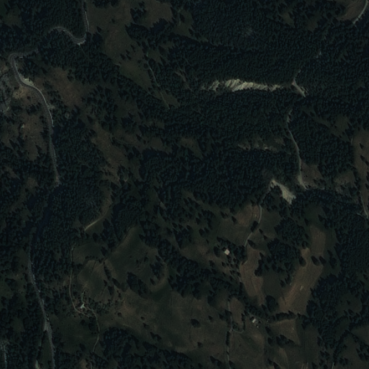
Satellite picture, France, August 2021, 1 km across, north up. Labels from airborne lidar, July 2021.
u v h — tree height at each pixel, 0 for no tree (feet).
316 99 77
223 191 64
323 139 64
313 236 0
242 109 55
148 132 56
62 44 69
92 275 0
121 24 0
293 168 48
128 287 0
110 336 60
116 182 0
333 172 40
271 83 34
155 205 0
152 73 45
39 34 49
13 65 0
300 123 47
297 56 38
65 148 68
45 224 41
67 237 65
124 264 0
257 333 0
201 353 0
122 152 0
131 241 0
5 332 98
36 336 52
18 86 0
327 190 45
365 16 0
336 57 28
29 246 45
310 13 51
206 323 0
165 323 0
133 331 0
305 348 0
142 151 0
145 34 62
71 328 0
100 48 73
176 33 0
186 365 72
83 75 52
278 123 52
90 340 0
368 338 0
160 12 0
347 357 0
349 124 0
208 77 47
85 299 21
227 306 0
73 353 0
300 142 62
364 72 52
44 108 0
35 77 36
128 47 0
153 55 0
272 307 62
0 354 44
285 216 46
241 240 0
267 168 37
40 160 41
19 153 0
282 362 0
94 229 0
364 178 0
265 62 71
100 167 39
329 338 52
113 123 69
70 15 21
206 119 48
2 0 0
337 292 73
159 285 0
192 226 0
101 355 0
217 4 57
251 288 0
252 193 49
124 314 0
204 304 0
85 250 0
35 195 0
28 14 67
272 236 0
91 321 39
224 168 54
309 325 53
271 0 51
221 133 29
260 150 30
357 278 69
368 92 58
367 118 58
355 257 94
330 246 0
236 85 0
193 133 69
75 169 56
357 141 0
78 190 53
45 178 53
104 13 0
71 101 0
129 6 0
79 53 74
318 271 0
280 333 0
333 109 54
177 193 74
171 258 50
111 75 62
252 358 0
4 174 25
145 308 0
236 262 36
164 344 0
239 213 0
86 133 54
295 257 52
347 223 55
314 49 29
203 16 58
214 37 41
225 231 0
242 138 66
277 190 28
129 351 59
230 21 52
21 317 64
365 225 75
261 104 52
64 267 50
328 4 80
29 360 38
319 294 56
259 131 39
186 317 0
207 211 0
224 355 0
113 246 52
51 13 84
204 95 59
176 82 49
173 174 52
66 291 31
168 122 68
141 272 0
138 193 0
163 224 0
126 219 67
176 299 0
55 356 0
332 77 57
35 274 39
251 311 58
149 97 49
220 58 54
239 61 78
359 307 0
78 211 65
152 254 0
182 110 39
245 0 45
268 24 56
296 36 66
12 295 0
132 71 0
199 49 101
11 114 0
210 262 0
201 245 0
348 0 0
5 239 52
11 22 0
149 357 0
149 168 78
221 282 49
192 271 87
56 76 0
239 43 62
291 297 0
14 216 31
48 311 32
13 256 62
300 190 35
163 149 0
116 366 0
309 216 0
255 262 0
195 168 79
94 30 0
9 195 58
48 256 59
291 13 0
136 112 0
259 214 0
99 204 35
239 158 69
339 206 58
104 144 0
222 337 0
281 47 51
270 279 0
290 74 47
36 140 0
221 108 56
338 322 36
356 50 58
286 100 50
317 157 63
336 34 54
